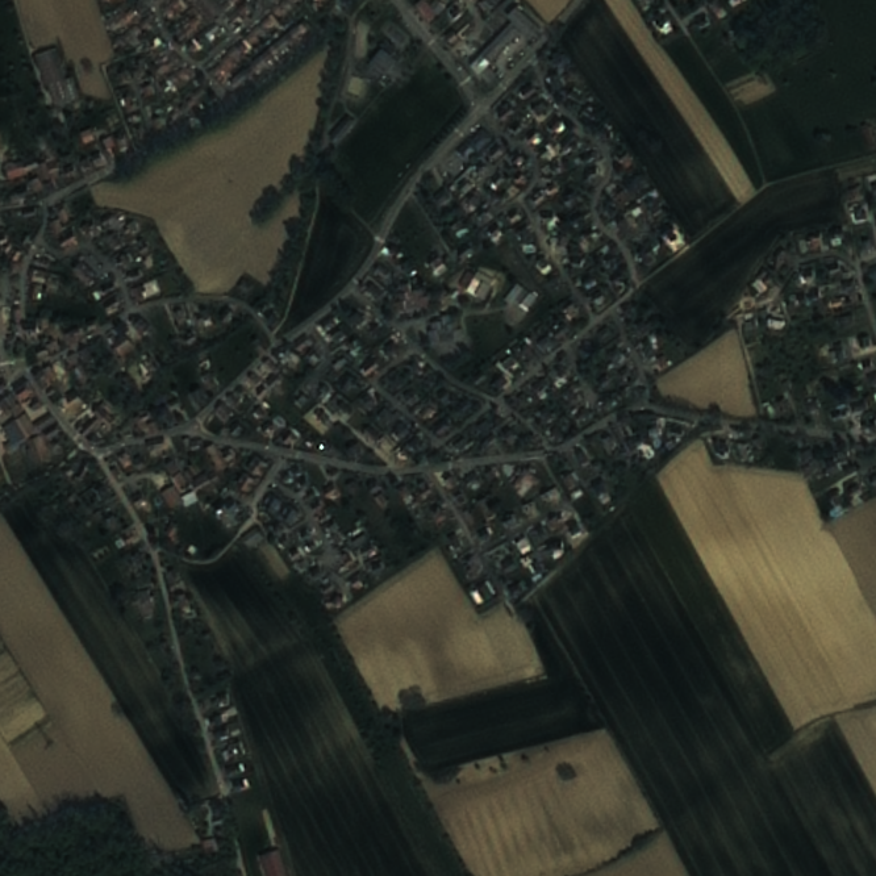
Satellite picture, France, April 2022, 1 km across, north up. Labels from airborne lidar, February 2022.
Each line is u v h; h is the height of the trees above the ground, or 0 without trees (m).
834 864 0
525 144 0
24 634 0
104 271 0
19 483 0
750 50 21
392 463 0
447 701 0
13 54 0
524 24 0
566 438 9
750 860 0
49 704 0
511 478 0
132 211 0
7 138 0
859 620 0
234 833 19
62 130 15
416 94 0
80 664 0
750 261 0
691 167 0
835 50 0
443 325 0
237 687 0
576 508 0
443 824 0
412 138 0
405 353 0
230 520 0
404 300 0
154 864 18
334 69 16
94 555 0
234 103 18
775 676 0
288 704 0
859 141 0
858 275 0
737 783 0
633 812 0
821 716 0
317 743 0
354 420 0
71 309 0
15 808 0
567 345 0
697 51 0
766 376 6
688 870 0
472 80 0
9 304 7
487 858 0
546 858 0
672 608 0
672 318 0
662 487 0
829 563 0
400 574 0
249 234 0
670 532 0
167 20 6
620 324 0
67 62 0
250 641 0
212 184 0
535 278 0
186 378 0
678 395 0
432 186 11
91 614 0
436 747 0
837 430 0
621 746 0
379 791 0
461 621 0
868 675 0
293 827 0
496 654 0
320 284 0
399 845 0
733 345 0
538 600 0
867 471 0
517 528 0
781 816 0
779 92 0
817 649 0
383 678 0
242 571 0
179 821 0
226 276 0
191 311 0
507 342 0
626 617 0
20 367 0
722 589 0
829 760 0
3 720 0
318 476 0
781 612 0
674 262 0
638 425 8
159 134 0
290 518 0
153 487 0
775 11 15
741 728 0
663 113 0
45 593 0
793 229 0
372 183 0
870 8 0
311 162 15
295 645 0
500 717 0
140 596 0
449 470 0
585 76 0
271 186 0
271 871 0
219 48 0
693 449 0
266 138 0
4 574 0
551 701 0
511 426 0
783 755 0
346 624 0
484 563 0
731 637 0
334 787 0
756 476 0
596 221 0
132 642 0
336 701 0
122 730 0
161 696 0
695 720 0
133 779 0
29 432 0
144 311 0
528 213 0
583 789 0
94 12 0
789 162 0
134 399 20
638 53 0
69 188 0
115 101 0
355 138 0
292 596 0
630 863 0
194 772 0
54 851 18
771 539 0
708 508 0
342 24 15
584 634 0
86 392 0
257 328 0
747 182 0
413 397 0
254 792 0
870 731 0
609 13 0
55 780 0
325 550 0
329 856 0
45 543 0
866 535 0
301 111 0
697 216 0
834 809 0
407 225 0
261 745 0
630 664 0
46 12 0
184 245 0
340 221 0
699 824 0
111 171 0
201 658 0
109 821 26
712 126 0
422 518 0
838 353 0
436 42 0
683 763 0
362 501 0
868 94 0
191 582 0
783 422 5
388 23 0
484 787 0
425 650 0
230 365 0
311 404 0
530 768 0
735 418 0
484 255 0
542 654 0
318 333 0
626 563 0
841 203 0
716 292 0
